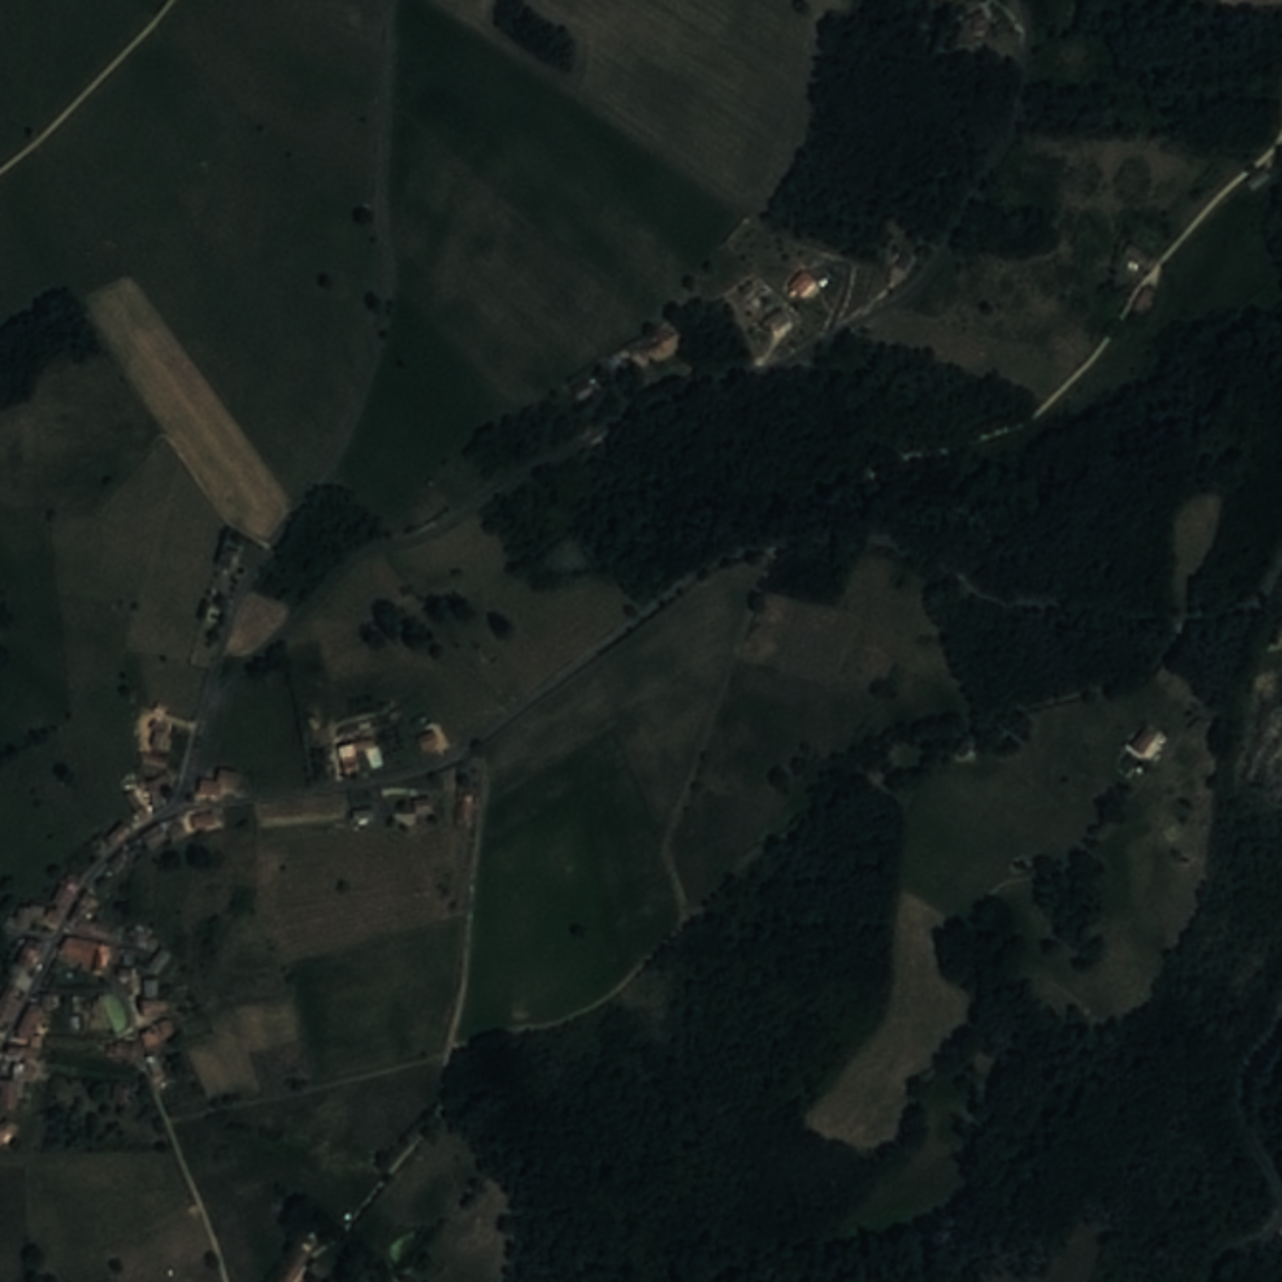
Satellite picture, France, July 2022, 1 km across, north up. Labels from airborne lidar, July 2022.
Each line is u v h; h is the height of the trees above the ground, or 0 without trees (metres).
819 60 11
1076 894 20
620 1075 13
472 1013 0
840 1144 14
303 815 0
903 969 0
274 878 0
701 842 0
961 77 14
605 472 13
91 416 0
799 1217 24
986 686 18
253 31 0
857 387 20
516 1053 11
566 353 0
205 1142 0
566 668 0
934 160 11
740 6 0
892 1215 0
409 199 0
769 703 0
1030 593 14
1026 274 0
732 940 10
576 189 0
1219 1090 18
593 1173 19
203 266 0
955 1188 0
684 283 8
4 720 0
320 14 0
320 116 0
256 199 0
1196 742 0
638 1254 10
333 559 10
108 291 0
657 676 0
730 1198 18
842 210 12
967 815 0
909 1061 0
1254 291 0
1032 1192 20
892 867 18
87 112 0
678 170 0
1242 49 28
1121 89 8
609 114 0
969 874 0
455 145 0
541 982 0
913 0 17
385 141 0
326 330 0
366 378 0
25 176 0
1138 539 17
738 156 0
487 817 0
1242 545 7
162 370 0
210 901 0
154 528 0
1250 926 13
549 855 0
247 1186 0
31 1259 15
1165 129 10
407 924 0
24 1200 0
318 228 0
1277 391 10
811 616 0
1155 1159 17
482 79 0
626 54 0
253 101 0
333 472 0
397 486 0
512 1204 11
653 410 11
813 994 14
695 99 0
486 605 0
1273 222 7
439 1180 0
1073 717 0
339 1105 0
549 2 0
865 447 18
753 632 0
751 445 17
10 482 0
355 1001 0
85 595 0
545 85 0
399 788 0
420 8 0
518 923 0
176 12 0
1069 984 0
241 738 0
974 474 6
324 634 0
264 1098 0
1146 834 0
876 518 20
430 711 0
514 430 9
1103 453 27
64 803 0
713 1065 17
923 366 10
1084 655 20
